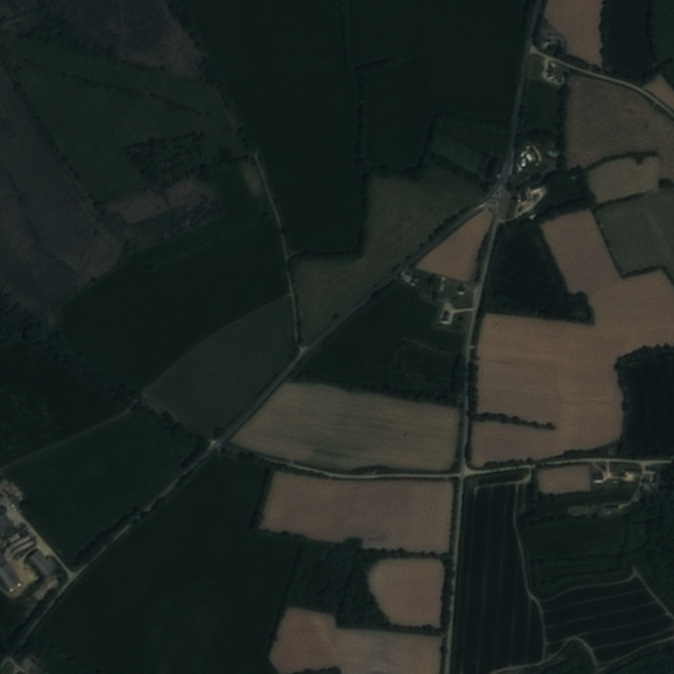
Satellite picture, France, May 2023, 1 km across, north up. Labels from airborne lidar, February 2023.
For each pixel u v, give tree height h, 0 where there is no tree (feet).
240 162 27
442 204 0
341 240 0
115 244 0
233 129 0
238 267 0
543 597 0
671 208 0
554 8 0
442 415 0
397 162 0
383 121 0
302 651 0
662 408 0
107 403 0
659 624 0
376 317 0
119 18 0
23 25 0
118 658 0
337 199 0
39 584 19
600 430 0
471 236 0
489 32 0
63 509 0
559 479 0
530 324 0
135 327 0
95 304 0
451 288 0
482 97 0
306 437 0
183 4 48
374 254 0
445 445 0
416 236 0
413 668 0
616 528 0
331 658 0
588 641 0
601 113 0
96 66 0
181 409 0
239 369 0
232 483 0
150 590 0
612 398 0
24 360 0
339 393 0
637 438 0
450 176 0
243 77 0
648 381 0
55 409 0
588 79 0
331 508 0
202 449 38
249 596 0
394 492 0
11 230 0
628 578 0
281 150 0
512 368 0
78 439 0
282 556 0
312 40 0
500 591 0
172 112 0
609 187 0
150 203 0
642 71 0
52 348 29
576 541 0
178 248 0
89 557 54
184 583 0
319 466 0
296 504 0
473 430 20
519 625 0
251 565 0
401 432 0
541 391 0
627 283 0
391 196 0
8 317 29
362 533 0
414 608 0
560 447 0
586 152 0
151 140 19
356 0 0
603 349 0
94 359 0
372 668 0
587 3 0
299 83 0
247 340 0
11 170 0
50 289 0
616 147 0
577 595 0
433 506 0
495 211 0
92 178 0
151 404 0
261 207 0
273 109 0
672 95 0
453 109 0
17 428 0
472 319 0
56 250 0
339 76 0
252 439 0
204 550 0
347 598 54
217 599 0
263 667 0
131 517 24
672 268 0
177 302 0
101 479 0
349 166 0
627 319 0
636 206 0
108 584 0
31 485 0
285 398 0
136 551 0
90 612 0
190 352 0
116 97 0
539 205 0
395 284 25
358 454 0
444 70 0
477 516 0
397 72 0
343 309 0
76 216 0
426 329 0
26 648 36
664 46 0
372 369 0
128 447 0
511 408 0
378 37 0
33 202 0
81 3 0
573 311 0
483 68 0
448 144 0
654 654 25
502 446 0
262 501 23
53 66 0
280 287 0
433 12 0
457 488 21
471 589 0
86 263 0
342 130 0
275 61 0
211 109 0
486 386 0
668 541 31
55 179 0
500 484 0
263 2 0
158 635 0
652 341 0
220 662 0
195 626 0
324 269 0
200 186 0
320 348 0
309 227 0
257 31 0
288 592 21
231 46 0
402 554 36
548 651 0
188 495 0
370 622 38
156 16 0
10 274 0
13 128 0
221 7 0
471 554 0
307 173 0
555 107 0
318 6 0
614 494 0
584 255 0
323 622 0
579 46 0
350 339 0
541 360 0
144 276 0
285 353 0
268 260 0
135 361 0
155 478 0
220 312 0
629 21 0
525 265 0
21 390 0
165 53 0
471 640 0
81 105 0
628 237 0
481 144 0
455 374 38
